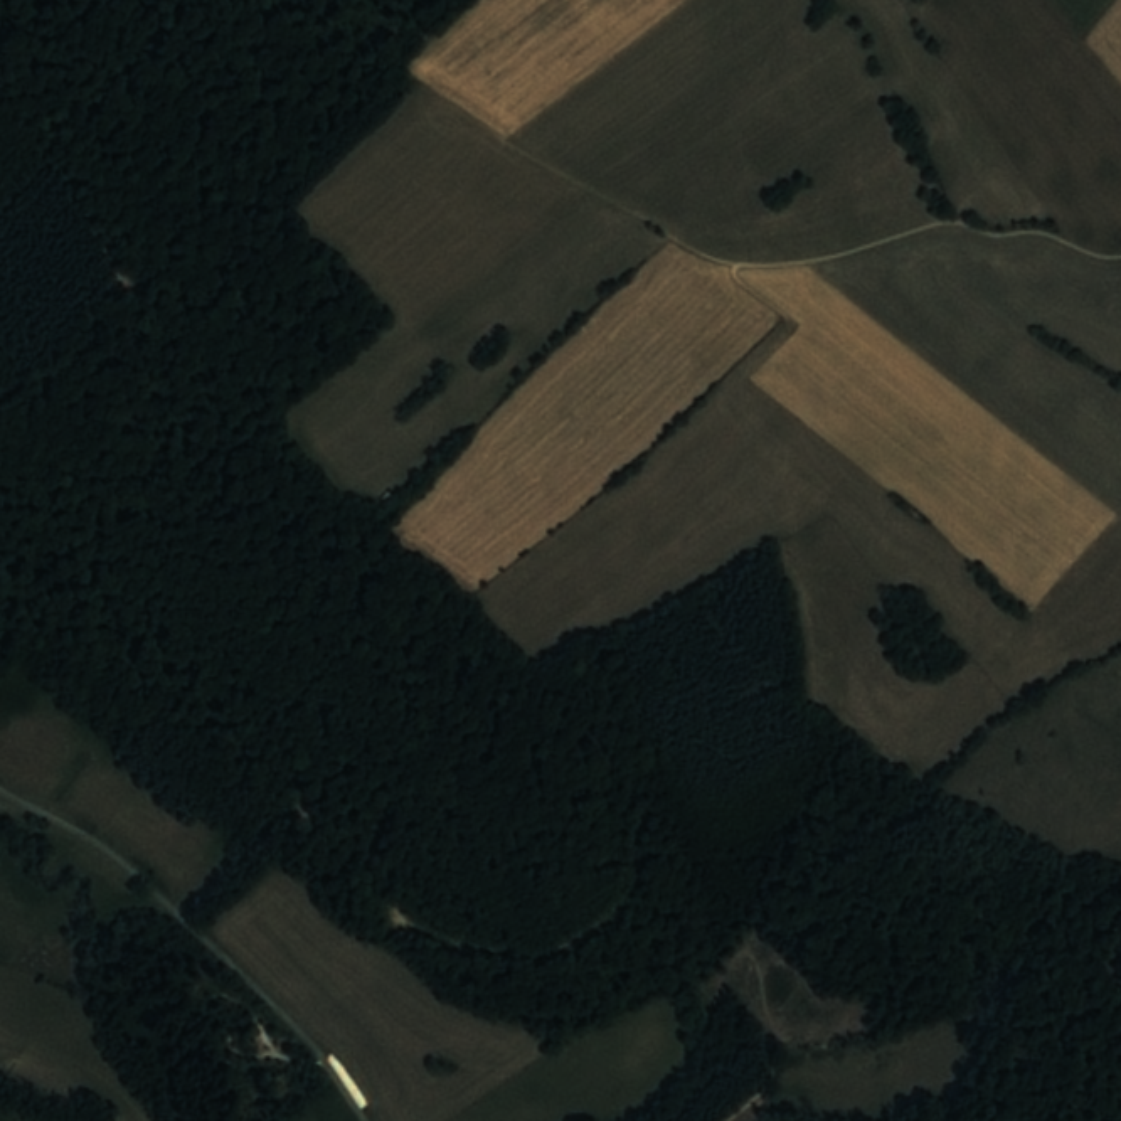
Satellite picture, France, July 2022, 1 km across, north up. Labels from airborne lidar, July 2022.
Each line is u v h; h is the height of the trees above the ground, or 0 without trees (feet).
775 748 63
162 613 89
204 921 89
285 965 0
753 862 61
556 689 78
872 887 67
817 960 104
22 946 0
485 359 55
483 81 0
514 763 74
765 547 37
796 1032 0
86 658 70
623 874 74
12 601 20
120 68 85
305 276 92
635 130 0
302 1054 33
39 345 74
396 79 75
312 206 0
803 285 0
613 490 39
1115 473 0
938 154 0
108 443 81
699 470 0
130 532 91
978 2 0
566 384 0
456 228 0
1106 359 0
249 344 85
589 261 0
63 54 95
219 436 79
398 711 72
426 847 99
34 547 104
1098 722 0
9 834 69
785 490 0
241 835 78
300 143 75
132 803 0
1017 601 27
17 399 70
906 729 0
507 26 0
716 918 72
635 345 0
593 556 0
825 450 0
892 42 0
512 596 0
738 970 0
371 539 97
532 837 59
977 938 89
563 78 0
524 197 0
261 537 82
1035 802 0
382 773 81
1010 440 0
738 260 0
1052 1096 82
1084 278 0
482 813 83
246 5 93
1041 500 0
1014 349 0
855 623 0
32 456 60
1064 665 0
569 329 33
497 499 0
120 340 83
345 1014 0
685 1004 98
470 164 0
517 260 0
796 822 41
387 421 0
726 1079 77
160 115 86
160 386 76
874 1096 0
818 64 0
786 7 0
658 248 0
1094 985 103
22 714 0
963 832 74
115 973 74
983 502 0
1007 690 0
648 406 0
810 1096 0
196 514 61
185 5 73
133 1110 0
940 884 64
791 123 0
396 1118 0
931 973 82
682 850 64
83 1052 0
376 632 95
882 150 0
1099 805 0
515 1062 0
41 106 83
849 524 0
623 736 95
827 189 0
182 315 85
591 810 92
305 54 89
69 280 74
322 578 80
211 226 79
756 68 0
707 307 0
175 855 0
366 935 100
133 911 18
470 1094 0
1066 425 0
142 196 77
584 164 0
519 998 96
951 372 0
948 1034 0
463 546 0
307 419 0
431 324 0
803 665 43
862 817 39
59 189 72
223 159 82
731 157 0
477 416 0
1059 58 0
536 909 69
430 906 93
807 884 26
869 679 0
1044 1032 81
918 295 0
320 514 73
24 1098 55
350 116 82
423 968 80
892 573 0
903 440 0
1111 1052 100
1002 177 0
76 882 69
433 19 83
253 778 88
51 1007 0
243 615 80
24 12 109
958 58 0
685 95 0
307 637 77
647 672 79
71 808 0
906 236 0
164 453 19
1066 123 0
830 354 0
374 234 0
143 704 108
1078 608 0
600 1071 0
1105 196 0
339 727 90
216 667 102
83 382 80
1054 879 74
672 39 0
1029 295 0
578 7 0
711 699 58
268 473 91
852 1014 0
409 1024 0
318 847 111
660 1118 79
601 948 94
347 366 52
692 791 51
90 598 100
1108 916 101
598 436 0
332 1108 0
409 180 0
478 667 71
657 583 0
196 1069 94
